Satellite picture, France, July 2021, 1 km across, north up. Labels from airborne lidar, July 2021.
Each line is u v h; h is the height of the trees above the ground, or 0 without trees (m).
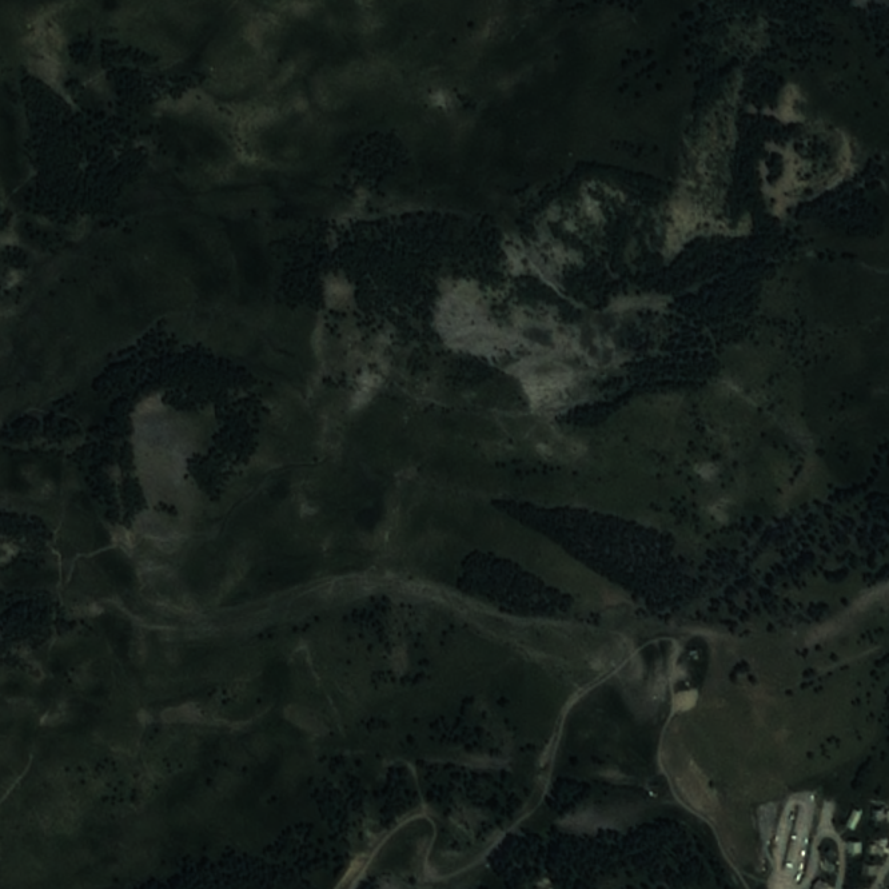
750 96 12
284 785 0
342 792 12
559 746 0
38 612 12
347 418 0
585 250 10
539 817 0
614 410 8
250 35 0
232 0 0
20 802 0
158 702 0
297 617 0
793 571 13
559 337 0
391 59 0
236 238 0
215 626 0
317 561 0
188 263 0
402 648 0
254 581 0
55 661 0
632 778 0
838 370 0
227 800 0
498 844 0
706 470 0
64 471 0
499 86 0
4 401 0
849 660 0
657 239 9
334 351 0
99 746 0
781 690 0
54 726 0
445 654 0
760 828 0
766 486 0
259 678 0
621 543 10
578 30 0
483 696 0
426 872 0
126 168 11
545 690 0
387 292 10
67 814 0
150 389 7
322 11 0
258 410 12
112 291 0
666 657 0
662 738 0
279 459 0
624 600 0
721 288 15
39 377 0
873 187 14
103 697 0
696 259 15
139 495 8
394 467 0
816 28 12
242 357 0
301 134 0
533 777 0
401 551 0
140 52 8
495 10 0
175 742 0
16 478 0
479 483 0
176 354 13
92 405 0
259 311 0
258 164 0
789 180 0
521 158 0
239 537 0
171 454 0
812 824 0
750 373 0
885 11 8
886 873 0
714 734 0
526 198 6
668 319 9
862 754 0
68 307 0
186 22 0
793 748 0
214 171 0
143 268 0
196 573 0
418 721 9
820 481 0
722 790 0
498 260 8
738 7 12
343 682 0
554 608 8
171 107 0
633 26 0
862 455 0
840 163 0
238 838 0
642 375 10
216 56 0
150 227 0
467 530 0
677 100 0
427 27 0
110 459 11
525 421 0
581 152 0
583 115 0
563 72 0
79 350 0
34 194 10
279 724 0
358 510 0
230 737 0
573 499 0
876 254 0
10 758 0
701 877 18
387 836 0
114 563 0
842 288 0
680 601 14
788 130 15
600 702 0
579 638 0
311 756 0
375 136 8
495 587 12
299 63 0
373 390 0
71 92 7
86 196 11
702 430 10
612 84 0
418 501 0
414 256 10
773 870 0
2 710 0
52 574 0
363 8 0
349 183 6
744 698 0
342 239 9
